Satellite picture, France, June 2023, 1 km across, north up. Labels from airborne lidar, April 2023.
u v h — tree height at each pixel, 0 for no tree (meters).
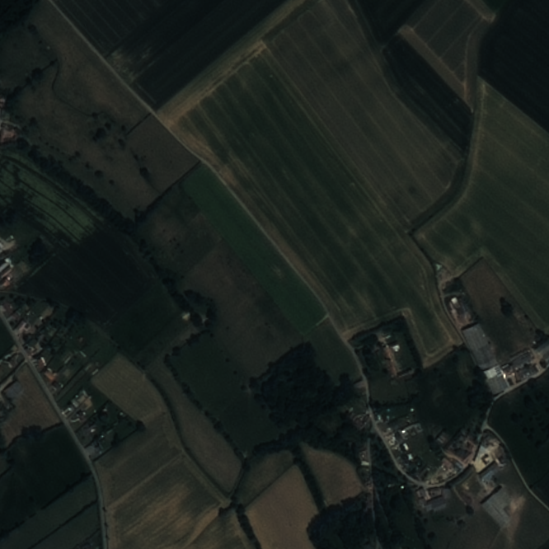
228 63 0
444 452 17
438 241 0
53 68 0
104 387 0
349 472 0
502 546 0
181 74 0
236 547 0
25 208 0
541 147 0
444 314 0
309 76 0
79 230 0
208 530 0
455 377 0
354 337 8
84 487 0
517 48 0
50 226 0
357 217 0
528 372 0
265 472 0
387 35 0
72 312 17
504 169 0
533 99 0
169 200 0
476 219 0
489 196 0
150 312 0
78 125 0
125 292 0
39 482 0
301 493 0
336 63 0
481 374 19
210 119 0
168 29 0
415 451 0
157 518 0
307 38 0
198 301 19
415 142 0
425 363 0
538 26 0
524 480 0
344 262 0
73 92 0
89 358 0
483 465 0
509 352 0
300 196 0
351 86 0
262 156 0
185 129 0
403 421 0
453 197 0
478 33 0
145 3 0
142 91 0
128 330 0
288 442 17
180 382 6
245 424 0
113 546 0
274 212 0
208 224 0
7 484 0
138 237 7
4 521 0
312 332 0
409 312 0
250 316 0
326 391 16
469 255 0
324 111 0
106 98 0
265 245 0
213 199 0
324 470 0
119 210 0
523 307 0
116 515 0
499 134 0
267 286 0
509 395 0
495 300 0
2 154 0
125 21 0
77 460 0
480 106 0
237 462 0
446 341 0
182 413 0
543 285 0
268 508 0
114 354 0
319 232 0
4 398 0
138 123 0
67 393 0
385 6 0
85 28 0
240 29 0
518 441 0
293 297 0
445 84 0
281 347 0
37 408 0
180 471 0
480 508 0
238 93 0
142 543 0
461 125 0
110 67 0
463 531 0
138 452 0
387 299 0
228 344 0
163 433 0
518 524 0
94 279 0
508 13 0
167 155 0
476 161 0
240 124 0
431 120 0
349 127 0
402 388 0
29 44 0
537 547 0
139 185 0
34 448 0
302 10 0
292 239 0
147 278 0
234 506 10
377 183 0
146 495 0
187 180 0
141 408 0
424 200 0
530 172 0
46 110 0
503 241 0
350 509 6
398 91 0
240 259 0
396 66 0
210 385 0
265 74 0
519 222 0
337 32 0
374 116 0
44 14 0
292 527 0
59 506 0
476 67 0
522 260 0
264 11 0
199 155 0
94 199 27
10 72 0
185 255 0
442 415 0
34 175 0
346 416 8
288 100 0
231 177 0
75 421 0
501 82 0
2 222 16
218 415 0
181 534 0
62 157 0
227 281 0
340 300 0
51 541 0
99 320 0
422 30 0
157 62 0
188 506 0
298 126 0
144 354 0
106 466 0
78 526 0
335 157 0
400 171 0
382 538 9
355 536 19
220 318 0
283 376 20
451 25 0
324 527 31
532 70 0
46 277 0
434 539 9
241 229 0
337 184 0
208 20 0
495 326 0
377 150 0
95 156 0
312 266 0
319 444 13
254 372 0
